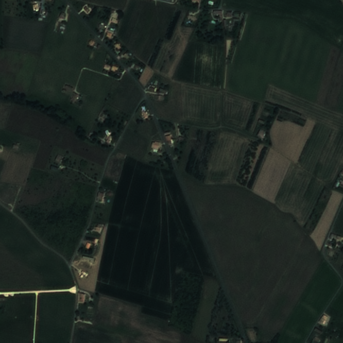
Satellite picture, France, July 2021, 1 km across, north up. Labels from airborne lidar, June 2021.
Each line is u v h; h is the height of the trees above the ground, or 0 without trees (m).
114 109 0
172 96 0
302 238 0
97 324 0
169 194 0
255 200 0
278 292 0
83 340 0
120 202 0
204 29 11
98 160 0
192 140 0
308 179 0
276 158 0
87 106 0
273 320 0
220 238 0
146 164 0
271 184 0
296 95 0
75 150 0
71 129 0
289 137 0
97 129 0
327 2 0
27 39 0
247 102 0
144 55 0
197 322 0
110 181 0
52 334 0
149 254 0
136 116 0
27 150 0
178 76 0
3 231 0
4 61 0
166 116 0
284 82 0
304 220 0
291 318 0
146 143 0
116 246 0
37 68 0
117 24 8
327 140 0
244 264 0
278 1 0
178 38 0
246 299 0
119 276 0
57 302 0
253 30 0
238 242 0
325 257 0
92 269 0
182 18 0
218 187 0
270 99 0
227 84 0
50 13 7
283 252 0
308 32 0
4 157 0
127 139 0
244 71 0
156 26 0
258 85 0
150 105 0
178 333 0
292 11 0
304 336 0
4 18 0
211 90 0
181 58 0
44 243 0
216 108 0
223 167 0
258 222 0
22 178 0
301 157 0
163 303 0
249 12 0
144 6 0
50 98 0
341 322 0
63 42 0
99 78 0
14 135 0
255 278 0
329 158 0
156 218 0
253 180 7
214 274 0
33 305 0
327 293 0
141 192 0
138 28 0
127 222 0
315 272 0
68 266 0
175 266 0
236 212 0
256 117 0
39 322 0
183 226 0
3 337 0
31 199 0
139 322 0
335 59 0
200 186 0
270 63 0
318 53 0
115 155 0
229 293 0
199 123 0
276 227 0
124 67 0
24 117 0
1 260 0
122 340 0
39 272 0
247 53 0
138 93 0
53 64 0
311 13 0
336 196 0
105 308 0
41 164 0
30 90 0
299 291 0
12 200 0
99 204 0
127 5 0
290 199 0
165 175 0
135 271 0
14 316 0
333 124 0
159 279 0
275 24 0
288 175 0
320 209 0
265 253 0
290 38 0
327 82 0
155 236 0
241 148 0
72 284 0
